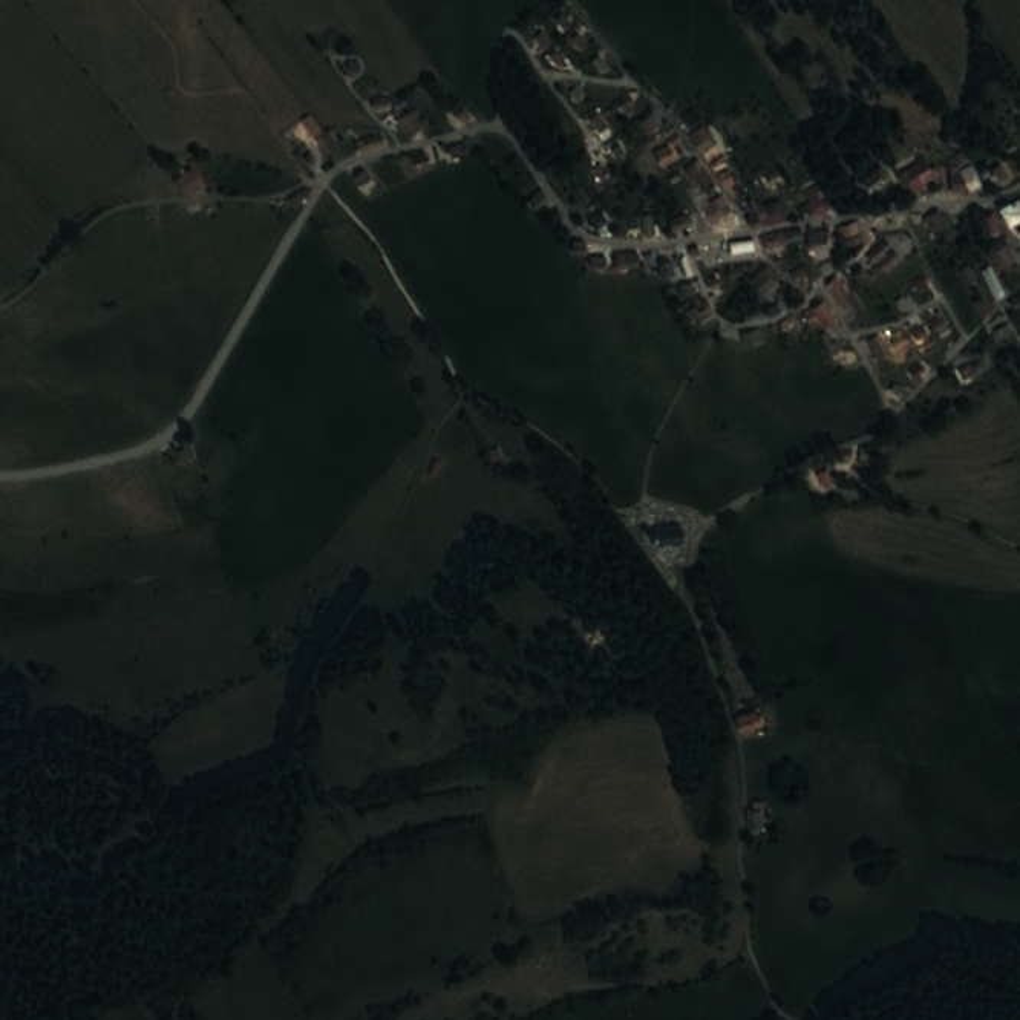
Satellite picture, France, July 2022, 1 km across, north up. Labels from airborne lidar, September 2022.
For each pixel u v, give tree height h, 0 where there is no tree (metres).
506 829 0
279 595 0
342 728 0
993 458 0
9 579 0
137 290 0
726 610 22
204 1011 0
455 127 0
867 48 28
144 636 0
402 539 0
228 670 0
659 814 0
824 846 0
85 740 20
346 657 15
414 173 0
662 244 0
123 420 0
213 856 11
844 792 0
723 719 14
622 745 0
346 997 0
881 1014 35
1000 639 0
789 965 0
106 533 0
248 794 27
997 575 0
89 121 0
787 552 0
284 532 0
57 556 0
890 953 0
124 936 15
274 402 0
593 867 0
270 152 0
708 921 7
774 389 0
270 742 0
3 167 0
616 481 0
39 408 0
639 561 11
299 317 0
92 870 23
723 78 0
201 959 13
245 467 0
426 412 0
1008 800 0
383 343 23
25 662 0
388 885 0
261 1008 0
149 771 30
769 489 12
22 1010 25
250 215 0
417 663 19
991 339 11
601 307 0
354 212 0
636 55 0
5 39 0
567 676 18
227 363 0
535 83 18
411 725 0
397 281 0
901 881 0
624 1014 0
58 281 0
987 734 0
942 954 37
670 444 0
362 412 0
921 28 0
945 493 0
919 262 0
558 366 0
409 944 0
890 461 12
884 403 0
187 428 22
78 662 0
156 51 0
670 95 0
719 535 0
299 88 0
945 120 20
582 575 19
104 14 0
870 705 0
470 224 0
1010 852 0
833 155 25
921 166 0
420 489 0
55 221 0
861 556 0
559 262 0
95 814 16
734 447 0
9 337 0
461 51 0
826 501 7
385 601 0
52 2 0
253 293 0
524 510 0
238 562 0
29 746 31
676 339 0
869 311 0
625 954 6
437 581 0
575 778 0
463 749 7
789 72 15
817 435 0
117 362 0
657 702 22
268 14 0
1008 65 10
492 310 0
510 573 17
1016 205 0
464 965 8
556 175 11
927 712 0
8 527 0
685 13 0
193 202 0
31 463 0
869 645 0
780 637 0
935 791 0
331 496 0
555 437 0
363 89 0
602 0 0
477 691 0
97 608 0
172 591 0
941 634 0
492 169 10
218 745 0
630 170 9
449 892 0
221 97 0
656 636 28
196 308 0
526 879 0
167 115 0
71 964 15
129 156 0
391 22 0
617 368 0
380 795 12
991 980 37
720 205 0
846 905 0
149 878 11
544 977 0
